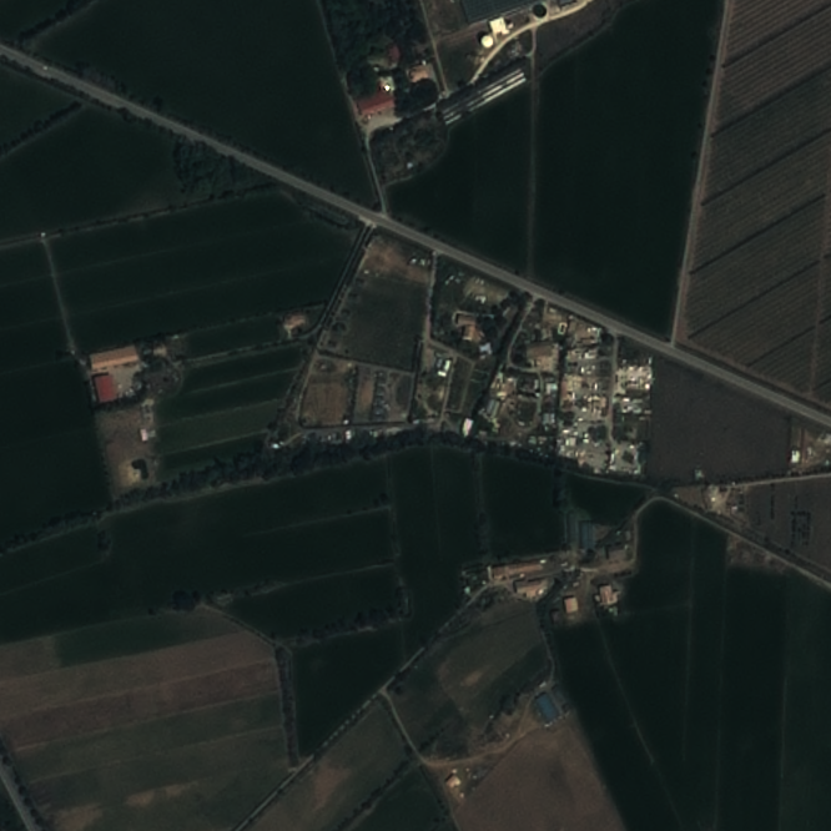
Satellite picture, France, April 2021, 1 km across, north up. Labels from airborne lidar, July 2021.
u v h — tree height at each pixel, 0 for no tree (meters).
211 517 0
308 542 0
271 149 0
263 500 0
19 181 0
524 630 0
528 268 0
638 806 0
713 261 8
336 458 12
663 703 0
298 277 0
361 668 0
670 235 0
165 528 0
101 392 0
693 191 0
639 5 0
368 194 0
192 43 0
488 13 0
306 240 0
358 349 0
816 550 0
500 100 0
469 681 0
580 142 0
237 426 0
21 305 0
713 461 0
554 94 0
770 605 0
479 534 11
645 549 0
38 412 0
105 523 0
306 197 6
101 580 0
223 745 0
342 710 0
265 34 0
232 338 0
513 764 0
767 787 0
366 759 0
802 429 0
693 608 0
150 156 0
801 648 0
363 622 13
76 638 0
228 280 0
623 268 0
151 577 0
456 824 0
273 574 0
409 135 6
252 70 0
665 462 0
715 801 0
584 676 0
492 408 0
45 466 0
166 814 0
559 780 0
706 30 0
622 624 0
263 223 0
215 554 0
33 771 0
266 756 0
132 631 0
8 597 0
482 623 0
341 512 0
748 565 0
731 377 0
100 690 0
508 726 0
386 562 6
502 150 0
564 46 0
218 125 0
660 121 0
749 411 0
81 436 0
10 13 0
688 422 0
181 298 0
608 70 0
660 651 0
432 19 0
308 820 0
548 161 0
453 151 0
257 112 0
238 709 0
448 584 0
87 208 0
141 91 0
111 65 0
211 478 12
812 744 0
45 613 0
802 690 0
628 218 0
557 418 8
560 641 0
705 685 0
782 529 0
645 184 0
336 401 0
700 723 0
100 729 0
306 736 0
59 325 0
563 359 9
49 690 0
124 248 0
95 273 0
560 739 0
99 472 0
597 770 0
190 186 7
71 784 0
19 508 0
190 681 0
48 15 0
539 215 0
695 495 0
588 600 0
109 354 0
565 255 0
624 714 0
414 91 11
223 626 0
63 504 0
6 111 0
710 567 0
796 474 6
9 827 7
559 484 10
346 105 0
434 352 0
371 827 0
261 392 0
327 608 0
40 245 0
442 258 6
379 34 9
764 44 9
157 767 0
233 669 0
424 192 0
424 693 0
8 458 0
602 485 0
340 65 7
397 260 0
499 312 11
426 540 0
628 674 0
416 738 0
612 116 0
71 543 0
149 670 0
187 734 0
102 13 0
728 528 0
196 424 0
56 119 11
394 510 0
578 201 0
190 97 0
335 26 15
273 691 0
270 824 0
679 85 0
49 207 0
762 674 0
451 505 0
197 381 0
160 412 0
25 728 0
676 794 0
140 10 0
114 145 0
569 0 0
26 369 0
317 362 0
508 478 0
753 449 0
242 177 16
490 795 0
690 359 0
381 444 9
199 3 0
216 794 0
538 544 0
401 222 7
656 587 0
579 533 0
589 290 0
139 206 0
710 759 0
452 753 0
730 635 0
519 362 14
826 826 0
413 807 0
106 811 0
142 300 0
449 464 0
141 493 9
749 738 0
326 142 0
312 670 0
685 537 0
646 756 0
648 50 0
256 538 0
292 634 0
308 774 0
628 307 0
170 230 0
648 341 0
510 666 0
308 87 0
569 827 0
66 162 0
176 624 0
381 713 0
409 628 0
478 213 0
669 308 0
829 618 0
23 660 0
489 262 0
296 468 12
